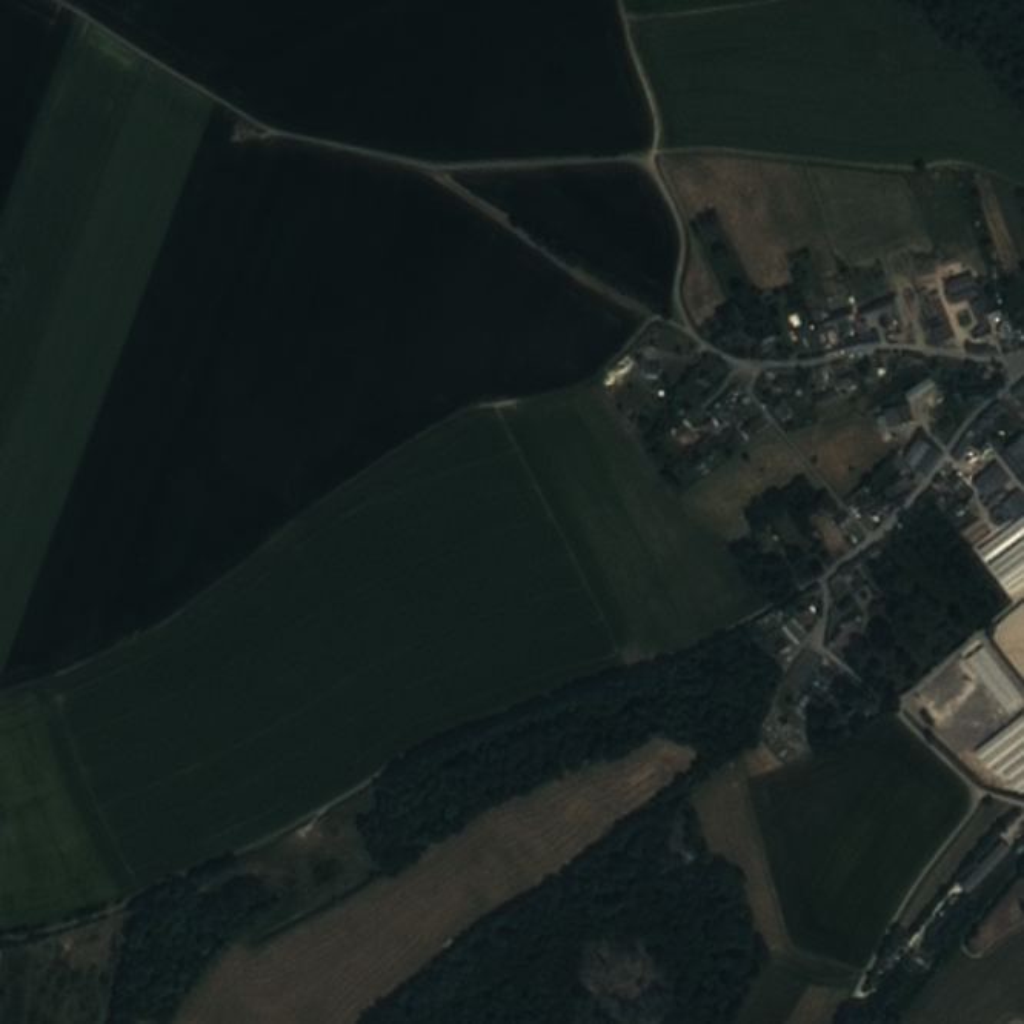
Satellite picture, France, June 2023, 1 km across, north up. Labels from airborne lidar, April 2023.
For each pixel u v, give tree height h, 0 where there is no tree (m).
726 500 0
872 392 0
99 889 0
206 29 0
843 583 0
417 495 0
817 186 0
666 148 0
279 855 0
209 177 0
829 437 0
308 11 0
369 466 0
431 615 0
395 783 19
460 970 19
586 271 0
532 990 22
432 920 0
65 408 0
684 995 24
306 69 0
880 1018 9
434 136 0
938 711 0
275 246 0
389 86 0
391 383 0
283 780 0
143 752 0
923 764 0
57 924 0
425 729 0
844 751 0
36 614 0
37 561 0
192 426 0
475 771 22
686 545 0
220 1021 0
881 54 0
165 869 0
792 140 0
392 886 0
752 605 0
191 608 0
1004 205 0
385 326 0
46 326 0
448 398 0
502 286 0
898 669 6
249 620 0
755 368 0
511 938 23
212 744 0
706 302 0
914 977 6
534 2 0
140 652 0
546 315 0
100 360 0
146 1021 11
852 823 0
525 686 0
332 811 0
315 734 0
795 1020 0
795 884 0
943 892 11
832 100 0
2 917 0
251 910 19
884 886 0
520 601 0
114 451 0
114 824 0
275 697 0
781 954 0
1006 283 12
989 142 0
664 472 10
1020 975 0
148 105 0
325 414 0
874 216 0
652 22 0
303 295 0
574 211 0
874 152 0
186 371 0
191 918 19
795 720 0
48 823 0
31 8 0
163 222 0
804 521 8
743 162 0
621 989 0
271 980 0
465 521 0
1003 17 15
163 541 0
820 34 0
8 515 0
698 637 0
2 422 0
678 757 0
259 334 0
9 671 0
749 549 12
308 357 0
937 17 9
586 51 0
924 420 0
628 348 0
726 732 24
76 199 0
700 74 0
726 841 0
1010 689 0
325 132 0
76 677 0
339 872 0
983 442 6
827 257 0
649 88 0
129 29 0
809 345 0
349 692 0
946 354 0
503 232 0
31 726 0
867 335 0
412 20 0
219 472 0
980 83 0
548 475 0
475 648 0
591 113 0
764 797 0
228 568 0
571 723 23
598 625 0
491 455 0
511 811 0
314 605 0
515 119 0
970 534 0
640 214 0
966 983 0
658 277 0
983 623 9
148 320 0
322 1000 0
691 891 21
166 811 0
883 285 0
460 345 0
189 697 0
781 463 0
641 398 0
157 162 0
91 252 0
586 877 22
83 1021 0
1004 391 0
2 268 0
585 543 0
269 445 0
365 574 0
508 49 0
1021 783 0
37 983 0
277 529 0
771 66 0
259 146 0
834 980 0
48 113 0
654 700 20
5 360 0
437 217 0
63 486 0
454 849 0
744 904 18
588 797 0
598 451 0
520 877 0
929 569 9
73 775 0
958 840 0
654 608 0
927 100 0
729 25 0
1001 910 0
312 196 0
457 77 0
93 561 0
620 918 24
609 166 0
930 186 0
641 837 23
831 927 0
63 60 0
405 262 0
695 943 24
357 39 0
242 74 0
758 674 20
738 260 0
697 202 0
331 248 0
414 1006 20
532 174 0
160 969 20
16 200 0
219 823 0
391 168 0
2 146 0
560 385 0
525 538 0
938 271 0
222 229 0
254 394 0
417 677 0
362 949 0
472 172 0
